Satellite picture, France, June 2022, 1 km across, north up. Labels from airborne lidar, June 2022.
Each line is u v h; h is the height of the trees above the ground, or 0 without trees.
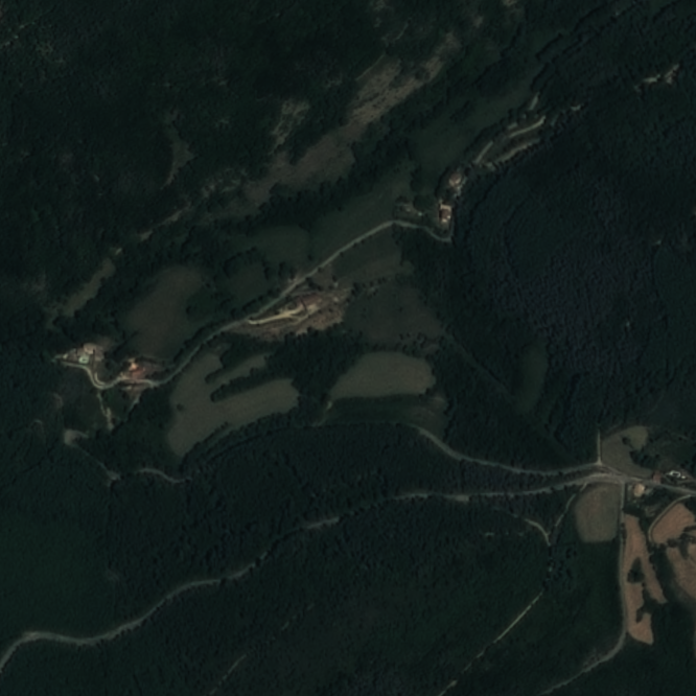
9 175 19
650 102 19
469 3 9
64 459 22
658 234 12
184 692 12
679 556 0
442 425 0
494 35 10
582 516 0
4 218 20
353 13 17
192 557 10
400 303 0
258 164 13
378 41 11
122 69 19
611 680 10
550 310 20
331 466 22
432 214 6
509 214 24
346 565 6
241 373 0
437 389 8
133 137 14
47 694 9
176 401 0
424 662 9
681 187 21
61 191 11
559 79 12
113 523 12
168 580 11
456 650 9
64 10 19
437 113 21
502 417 13
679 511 0
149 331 0
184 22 12
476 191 8
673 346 27
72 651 11
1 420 16
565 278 16
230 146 13
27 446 8
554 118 8
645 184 20
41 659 10
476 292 20
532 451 19
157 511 9
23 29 15
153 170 17
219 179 8
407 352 11
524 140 7
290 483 11
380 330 0
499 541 11
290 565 8
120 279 17
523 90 0
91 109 15
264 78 13
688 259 14
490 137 12
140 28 18
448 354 17
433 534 20
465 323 11
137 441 6
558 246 17
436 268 13
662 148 20
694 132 18
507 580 9
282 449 26
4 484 11
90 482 22
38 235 21
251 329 0
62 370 10
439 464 17
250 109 12
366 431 22
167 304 0
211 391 0
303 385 14
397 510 20
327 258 0
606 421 23
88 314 23
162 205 13
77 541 14
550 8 25
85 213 10
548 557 8
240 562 22
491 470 15
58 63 6
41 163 18
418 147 17
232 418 0
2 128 15
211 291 0
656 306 11
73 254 17
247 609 9
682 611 19
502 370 17
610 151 19
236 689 8
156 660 9
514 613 8
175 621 10
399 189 0
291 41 13
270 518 10
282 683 7
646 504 8
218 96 12
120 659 12
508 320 19
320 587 8
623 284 20
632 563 0
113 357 11
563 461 15
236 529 24
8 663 8
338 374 13
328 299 0
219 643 11
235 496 9
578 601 6
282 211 15
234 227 16
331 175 0
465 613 6
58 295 13
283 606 9
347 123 19
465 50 10
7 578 13
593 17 15
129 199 14
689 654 9
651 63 13
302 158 15
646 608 7
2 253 23
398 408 0
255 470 11
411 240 10
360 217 0
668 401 0
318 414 13
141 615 10
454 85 11
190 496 15
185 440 0
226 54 16
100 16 16
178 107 14
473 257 27
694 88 21
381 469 23
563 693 13
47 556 17
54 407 8
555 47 18
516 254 23
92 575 14
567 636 11
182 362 14
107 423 0
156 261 7
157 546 9
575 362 22
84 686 10
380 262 0
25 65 10
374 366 0
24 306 10
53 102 9
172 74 15
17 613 12
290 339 11
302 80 13
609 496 0
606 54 21
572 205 12
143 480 8
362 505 12
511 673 15
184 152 0
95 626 15
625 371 14
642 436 0
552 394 14
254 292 0
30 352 18
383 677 16
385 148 22
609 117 20
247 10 16
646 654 10
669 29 15
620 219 17
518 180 23
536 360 0
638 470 0
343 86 9
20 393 19
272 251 0
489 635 10
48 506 21
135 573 9
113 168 12
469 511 15
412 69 10
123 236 21
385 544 21
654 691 17
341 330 10
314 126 15
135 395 0
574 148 19
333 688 16
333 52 11
